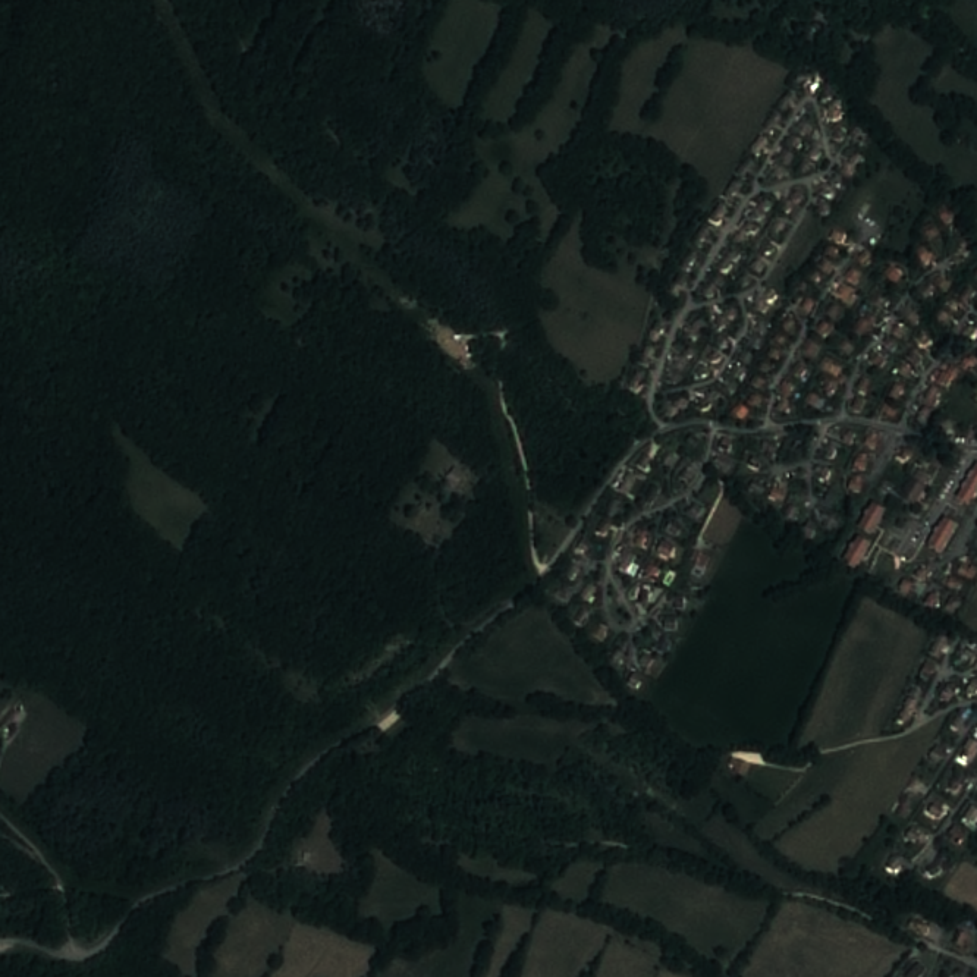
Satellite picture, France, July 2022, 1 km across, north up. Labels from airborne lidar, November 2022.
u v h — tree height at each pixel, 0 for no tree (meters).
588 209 14
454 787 8
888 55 0
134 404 21
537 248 16
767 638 0
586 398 12
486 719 8
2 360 19
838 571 15
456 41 0
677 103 0
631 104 0
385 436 17
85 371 17
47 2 19
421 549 13
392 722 0
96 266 15
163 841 21
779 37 17
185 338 19
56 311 15
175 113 17
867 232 0
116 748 13
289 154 16
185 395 18
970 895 0
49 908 15
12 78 18
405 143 20
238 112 14
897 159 16
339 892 15
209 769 16
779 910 9
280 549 18
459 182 21
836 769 0
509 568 16
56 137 19
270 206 18
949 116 17
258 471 18
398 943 23
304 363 15
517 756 0
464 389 15
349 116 18
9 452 22
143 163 26
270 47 13
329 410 19
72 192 19
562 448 13
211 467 16
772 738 0
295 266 13
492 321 12
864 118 14
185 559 16
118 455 19
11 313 15
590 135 16
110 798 23
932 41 16
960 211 19
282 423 21
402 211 14
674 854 16
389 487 17
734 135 0
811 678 0
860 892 12
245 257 15
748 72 0
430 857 15
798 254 0
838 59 14
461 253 15
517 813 8
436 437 12
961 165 0
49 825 22
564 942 0
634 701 18
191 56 0
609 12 15
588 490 7
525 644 0
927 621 12
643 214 10
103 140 20
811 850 0
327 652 14
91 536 15
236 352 16
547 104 18
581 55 0
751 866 0
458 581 13
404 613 17
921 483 0
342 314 15
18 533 22
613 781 9
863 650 0
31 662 18
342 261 12
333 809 11
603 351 0
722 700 0
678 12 13
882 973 0
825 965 0
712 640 0
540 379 9
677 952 12
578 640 14
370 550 17
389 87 19
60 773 14
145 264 24
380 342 15
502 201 0
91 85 18
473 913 0
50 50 18
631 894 0
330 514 18
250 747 13
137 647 13
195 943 0
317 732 8
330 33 18
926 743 0
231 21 20
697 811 0
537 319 13
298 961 0
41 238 15
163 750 15
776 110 6
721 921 0
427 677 0
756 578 0
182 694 14
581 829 10
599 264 14
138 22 18
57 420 17
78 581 16
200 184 18
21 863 13
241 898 9
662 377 0
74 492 23
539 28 0
